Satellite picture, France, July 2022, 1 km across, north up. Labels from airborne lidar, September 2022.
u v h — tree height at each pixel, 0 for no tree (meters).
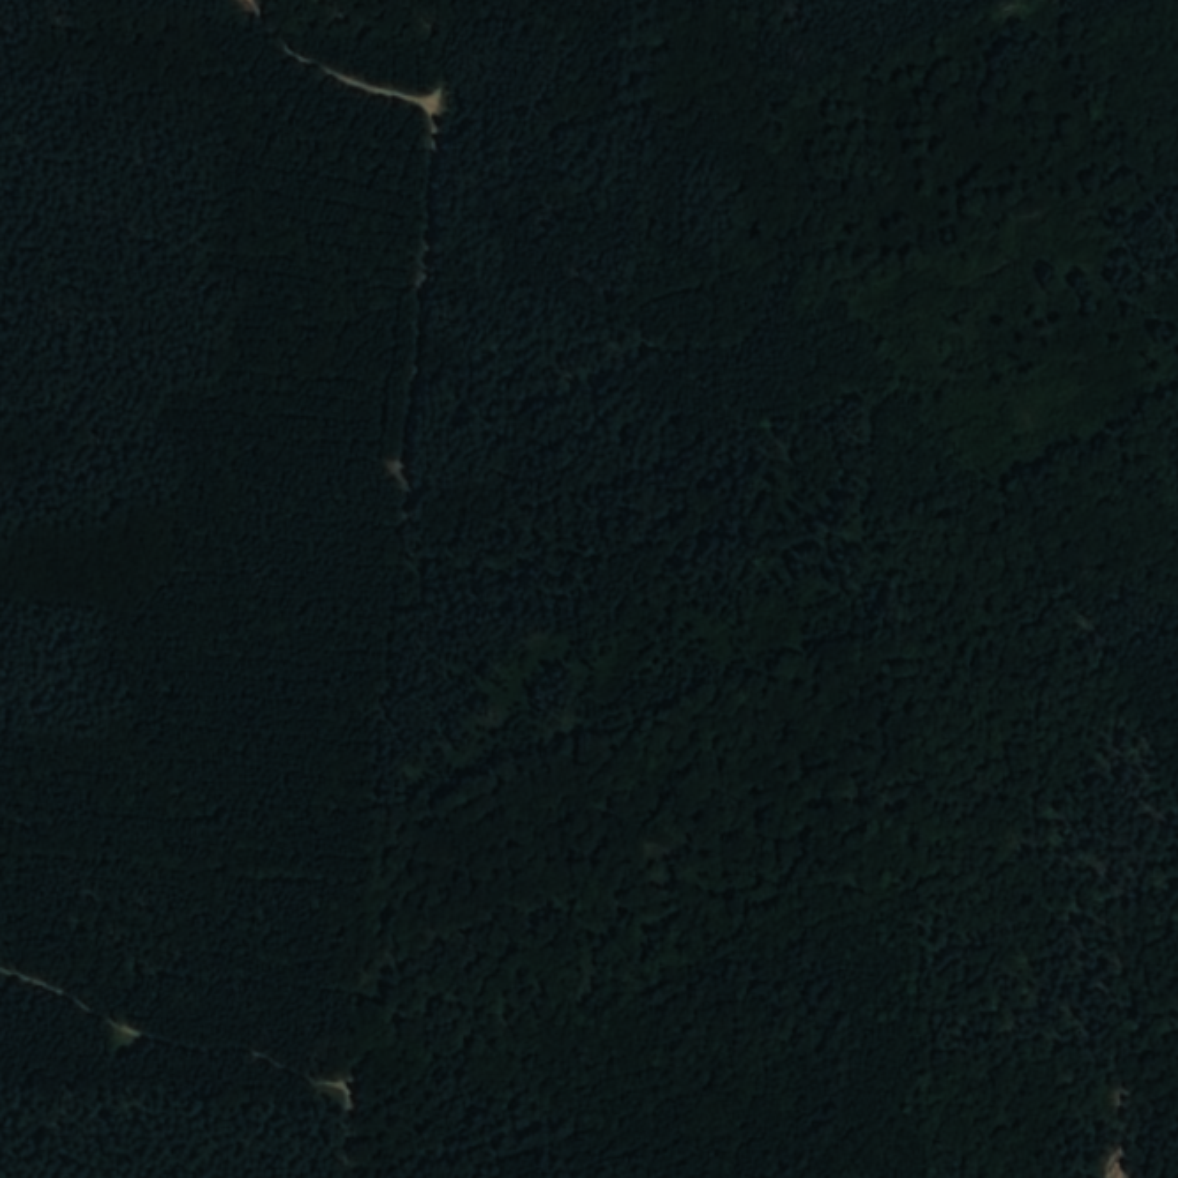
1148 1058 18
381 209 16
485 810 26
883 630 21
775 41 25
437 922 29
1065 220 7
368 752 20
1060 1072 16
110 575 22
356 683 25
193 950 23
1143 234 29
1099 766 29
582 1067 16
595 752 26
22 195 35
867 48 25
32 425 30
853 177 22
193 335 31
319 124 20
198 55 23
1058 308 7
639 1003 13
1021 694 19
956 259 7
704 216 41
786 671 28
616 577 20
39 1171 40
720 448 26
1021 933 21
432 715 31
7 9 29
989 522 21
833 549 10
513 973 10
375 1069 21
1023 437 6
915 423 14
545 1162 33
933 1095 17
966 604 21
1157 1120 16
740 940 19
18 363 27
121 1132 38
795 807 23
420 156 20
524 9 25
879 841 20
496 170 32
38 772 25
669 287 17
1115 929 18
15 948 25
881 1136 15
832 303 18
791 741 26
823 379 18
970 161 7
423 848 26
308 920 23
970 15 23
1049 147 18
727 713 24
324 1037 27
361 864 24
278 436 21
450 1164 19
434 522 28
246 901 25
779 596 10
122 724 28
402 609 19
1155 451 18
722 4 31
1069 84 7
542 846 27
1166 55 19
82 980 23
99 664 27
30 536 25
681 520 28
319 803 21
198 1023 23
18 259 35
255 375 21
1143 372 6
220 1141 34
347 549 25
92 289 28
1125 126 22
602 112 24
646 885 24
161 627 25
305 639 24
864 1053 15
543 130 24
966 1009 25
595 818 26
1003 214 21
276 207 20
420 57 19
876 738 27
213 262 26
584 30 25
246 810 21
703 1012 19
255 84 24
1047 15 7
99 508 33
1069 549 29
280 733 21
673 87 24
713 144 29
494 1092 18
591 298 30
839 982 16
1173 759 22
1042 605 24
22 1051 28
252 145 22
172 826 25
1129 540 22
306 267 18
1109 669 19
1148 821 21
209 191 27
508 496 28
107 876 27
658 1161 19
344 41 21
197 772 25
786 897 21
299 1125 36
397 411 21
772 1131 16
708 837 22
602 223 25
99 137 30
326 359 19
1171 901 28
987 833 23
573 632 15
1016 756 21
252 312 20
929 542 25
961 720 21
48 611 36
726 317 20
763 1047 15
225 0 31
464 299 31
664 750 21
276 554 25
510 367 33
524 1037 17
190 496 26
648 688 18
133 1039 0
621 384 29
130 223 38
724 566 33
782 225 25
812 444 23
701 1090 16
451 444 30
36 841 23
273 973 24
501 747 9
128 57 19
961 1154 14
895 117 8
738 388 23
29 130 31
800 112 22
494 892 24
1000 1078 22
